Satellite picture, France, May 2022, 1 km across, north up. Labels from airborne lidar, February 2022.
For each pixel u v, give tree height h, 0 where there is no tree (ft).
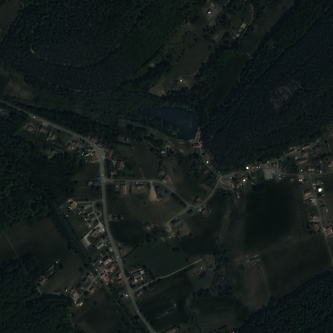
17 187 96
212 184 0
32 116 0
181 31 0
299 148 0
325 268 0
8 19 0
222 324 0
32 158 36
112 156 22
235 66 0
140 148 0
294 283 0
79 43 59
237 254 0
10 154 43
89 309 0
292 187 0
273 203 0
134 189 0
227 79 0
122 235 0
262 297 0
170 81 0
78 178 0
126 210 0
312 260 0
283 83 87
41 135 0
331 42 78
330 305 91
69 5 96
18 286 96
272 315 94
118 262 0
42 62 69
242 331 58
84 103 42
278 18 0
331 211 0
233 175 0
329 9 49
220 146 72
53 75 80
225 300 0
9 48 73
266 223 0
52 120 56
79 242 0
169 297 0
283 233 0
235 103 65
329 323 96
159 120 48
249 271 0
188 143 0
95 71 92
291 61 89
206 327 0
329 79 72
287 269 0
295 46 78
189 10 79
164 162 55
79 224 0
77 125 67
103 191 0
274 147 76
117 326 0
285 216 0
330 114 70
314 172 0
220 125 74
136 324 51
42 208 105
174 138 0
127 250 0
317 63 80
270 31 0
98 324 0
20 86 0
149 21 84
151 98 58
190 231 0
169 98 80
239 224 0
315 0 72
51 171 50
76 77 79
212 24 0
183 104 63
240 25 0
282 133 66
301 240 0
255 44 0
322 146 0
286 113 69
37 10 106
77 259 0
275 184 0
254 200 0
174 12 45
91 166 0
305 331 97
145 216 0
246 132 74
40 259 0
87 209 0
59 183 48
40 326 81
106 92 77
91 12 86
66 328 90
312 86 63
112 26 83
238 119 64
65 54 51
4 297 93
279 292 0
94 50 65
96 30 72
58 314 80
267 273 0
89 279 0
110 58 68
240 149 64
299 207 0
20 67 74
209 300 0
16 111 39
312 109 70
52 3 89
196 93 61
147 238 51
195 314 0
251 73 67
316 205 0
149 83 69
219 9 0
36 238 0
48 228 0
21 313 99
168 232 0
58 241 0
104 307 0
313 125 71
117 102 51
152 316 0
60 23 110
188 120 0
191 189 0
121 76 84
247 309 0
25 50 81
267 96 75
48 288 0
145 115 31
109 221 0
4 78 0
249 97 76
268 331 69
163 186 0
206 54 0
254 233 0
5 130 78
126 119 53
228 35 56
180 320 0
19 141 104
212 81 18
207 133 59
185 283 0
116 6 62
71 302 48
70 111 0
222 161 64
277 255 0
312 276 0
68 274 0
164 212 0
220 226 0
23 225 0
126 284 0
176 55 0
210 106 0
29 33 95
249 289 0
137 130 62
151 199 0
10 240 0
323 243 0
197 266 0
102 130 58
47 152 0
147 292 0
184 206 29
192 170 21
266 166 0
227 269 0
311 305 82
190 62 0
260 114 68
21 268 100
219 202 0
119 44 56
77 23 88
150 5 75
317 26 79
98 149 0
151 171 0
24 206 102
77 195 0
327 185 0
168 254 0
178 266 0
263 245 0
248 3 42
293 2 0
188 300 0
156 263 0
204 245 0
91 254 0
